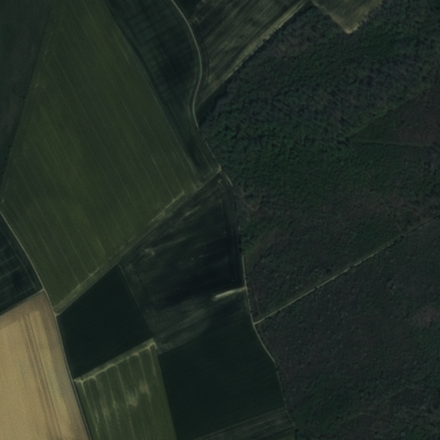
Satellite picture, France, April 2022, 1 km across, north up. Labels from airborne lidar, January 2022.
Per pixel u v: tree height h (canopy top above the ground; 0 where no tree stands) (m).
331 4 0
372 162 8
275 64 14
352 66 25
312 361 10
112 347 0
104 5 0
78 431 0
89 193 0
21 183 0
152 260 0
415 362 12
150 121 0
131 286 0
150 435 0
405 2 18
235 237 0
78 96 0
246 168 22
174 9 0
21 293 0
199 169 0
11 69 0
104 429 0
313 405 13
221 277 0
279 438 0
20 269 0
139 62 0
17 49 0
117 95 0
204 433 0
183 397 0
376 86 34
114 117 0
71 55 0
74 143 0
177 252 0
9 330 0
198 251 0
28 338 0
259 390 0
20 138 0
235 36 0
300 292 9
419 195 12
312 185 11
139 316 0
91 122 0
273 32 0
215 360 0
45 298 0
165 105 0
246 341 0
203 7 0
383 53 10
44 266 0
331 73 10
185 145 0
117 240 0
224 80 0
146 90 0
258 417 0
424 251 14
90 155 0
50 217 0
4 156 0
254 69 17
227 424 0
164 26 0
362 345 10
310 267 7
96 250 0
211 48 0
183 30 0
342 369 11
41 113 0
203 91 0
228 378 0
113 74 0
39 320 0
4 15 0
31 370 0
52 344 0
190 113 0
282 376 8
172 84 0
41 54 0
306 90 26
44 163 0
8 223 0
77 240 0
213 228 0
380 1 0
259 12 0
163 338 0
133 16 0
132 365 0
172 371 0
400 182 11
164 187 0
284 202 11
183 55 0
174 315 0
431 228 14
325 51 12
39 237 0
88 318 0
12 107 0
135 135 0
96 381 0
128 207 0
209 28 0
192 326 0
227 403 0
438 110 7
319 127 32
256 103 24
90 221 0
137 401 0
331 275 21
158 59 0
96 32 0
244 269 0
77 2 0
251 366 0
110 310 0
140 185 0
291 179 11
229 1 0
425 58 30
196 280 0
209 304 0
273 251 8
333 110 22
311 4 0
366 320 7
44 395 0
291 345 11
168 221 0
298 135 29
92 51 0
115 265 0
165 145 0
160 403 0
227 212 0
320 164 10
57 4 0
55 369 0
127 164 0
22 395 0
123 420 0
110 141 0
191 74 0
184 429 0
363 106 30
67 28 0
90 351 0
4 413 0
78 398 0
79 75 0
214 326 0
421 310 20
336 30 24
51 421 0
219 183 0
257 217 13
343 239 8
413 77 33
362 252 6
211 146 15
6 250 0
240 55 0
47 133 0
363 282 9
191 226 0
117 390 0
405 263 12
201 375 0
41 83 0
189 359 0
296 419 8
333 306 9
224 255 0
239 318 0
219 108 22
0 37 0
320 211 8
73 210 0
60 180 0
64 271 0
